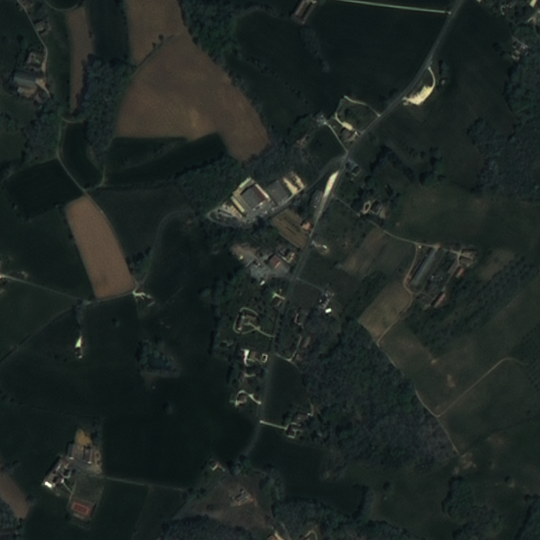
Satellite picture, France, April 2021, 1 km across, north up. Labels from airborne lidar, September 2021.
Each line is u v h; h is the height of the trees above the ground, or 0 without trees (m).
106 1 0
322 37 0
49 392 0
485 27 0
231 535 20
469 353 0
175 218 0
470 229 0
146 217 0
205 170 15
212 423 0
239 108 0
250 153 0
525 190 17
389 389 29
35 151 23
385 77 0
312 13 0
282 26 0
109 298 0
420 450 19
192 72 0
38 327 0
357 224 10
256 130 0
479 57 0
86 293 0
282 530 17
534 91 23
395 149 0
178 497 0
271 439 0
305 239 0
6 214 0
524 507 0
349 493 0
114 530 0
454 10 0
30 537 0
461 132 0
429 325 7
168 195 0
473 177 0
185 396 0
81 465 0
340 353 17
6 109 0
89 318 0
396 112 0
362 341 22
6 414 0
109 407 0
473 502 11
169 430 0
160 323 0
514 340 0
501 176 20
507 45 0
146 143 0
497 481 0
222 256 0
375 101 0
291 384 0
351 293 0
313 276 0
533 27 13
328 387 18
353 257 0
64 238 0
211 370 0
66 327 0
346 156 0
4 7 0
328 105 0
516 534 0
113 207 0
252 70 0
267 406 0
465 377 0
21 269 0
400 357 0
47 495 0
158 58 0
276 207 0
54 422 0
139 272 19
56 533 0
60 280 0
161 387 0
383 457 6
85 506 0
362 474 0
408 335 0
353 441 19
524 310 0
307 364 14
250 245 0
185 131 0
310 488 0
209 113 0
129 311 0
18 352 0
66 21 0
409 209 0
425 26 0
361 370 23
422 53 0
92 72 25
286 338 0
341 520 18
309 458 0
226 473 0
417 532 0
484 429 0
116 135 0
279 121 0
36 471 0
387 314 0
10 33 0
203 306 0
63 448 0
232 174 23
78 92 0
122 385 0
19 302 0
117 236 0
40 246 0
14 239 0
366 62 0
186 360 0
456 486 17
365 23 0
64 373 0
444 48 0
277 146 21
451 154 0
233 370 14
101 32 0
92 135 14
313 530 0
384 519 0
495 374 0
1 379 0
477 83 0
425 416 12
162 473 0
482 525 18
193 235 0
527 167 16
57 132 18
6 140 0
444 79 9
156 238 0
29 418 0
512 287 12
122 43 0
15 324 0
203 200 20
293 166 22
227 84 0
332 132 0
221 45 18
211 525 16
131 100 0
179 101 0
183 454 0
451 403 0
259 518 0
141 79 0
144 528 0
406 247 0
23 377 0
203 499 17
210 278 0
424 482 0
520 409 0
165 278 0
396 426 20
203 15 25
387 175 0
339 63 0
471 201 0
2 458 0
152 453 0
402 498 0
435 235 0
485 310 11
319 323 18
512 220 0
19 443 0
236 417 0
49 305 0
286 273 0
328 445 11
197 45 20
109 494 0
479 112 0
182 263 0
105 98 22
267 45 0
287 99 0
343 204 6
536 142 16
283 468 0
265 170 25
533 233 0
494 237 0
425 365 0
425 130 0
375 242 0
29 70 7
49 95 7
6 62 0
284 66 0
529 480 0
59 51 0
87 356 0
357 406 23
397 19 0
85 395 0
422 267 0
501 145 13
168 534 21
